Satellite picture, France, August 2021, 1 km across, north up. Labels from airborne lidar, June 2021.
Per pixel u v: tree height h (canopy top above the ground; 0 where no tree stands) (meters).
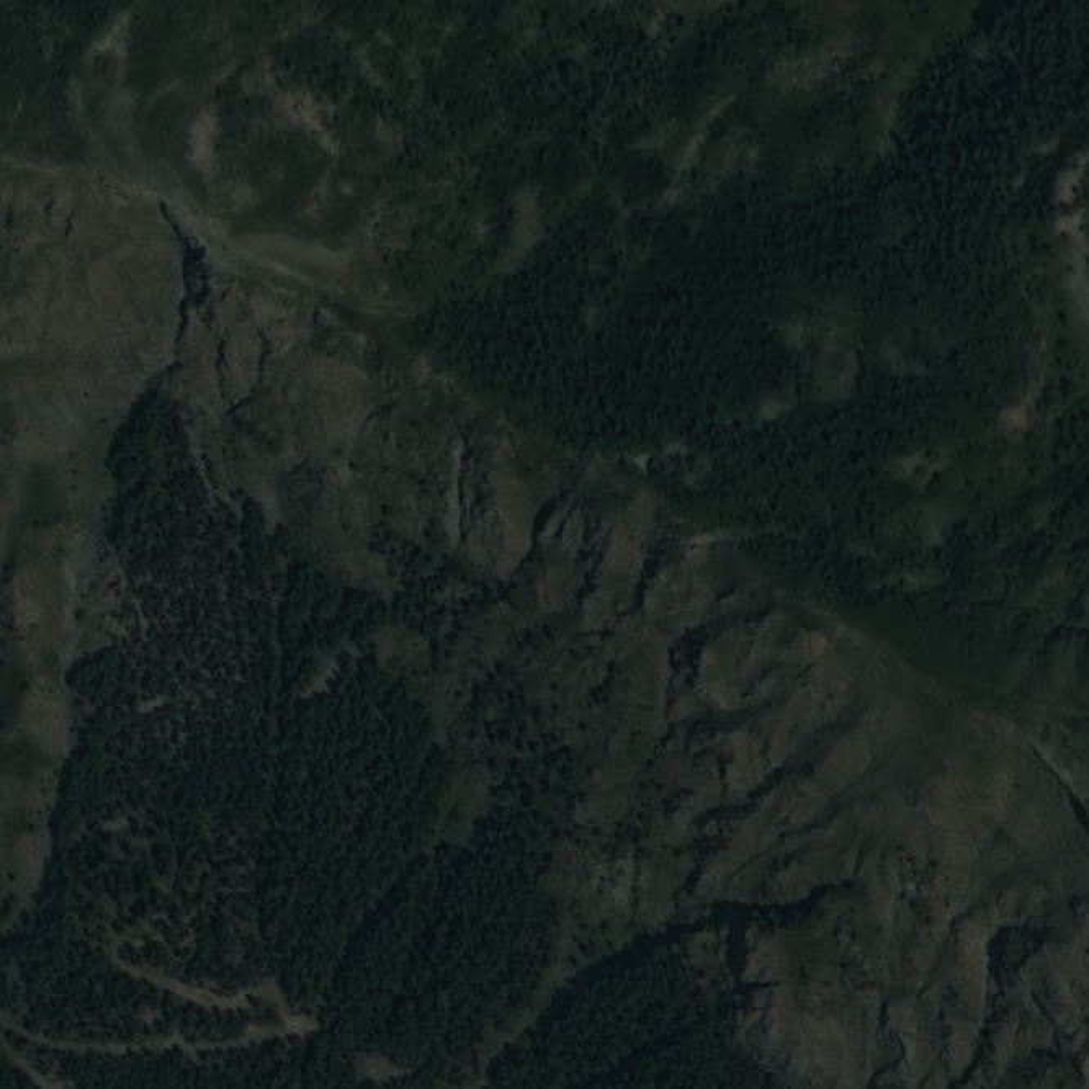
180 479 16
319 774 30
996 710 0
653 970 25
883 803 0
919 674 0
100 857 7
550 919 12
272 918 22
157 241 0
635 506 0
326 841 28
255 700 14
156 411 23
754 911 7
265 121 0
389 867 25
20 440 0
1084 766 0
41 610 0
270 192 0
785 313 0
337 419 0
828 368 0
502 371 10
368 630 23
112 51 0
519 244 0
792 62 0
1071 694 0
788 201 0
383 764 23
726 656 0
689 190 0
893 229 0
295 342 0
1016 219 18
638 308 10
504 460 0
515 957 19
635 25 6
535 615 0
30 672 0
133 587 11
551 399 10
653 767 10
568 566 0
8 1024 0
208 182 0
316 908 16
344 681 24
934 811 0
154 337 0
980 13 0
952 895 0
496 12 11
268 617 10
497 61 13
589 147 6
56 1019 14
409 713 26
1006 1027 0
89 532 0
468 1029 7
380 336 0
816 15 0
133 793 9
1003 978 0
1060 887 0
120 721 12
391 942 31
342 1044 23
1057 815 0
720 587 0
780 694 0
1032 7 25
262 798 17
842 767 0
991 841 0
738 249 6
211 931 10
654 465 8
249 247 0
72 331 0
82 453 0
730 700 0
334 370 0
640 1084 27
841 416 13
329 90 9
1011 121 8
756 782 0
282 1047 18
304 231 0
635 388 6
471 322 6
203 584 15
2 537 0
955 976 0
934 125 19
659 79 10
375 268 0
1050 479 6
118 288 0
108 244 0
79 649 0
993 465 0
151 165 0
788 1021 0
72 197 0
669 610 0
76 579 0
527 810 11
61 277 0
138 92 0
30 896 0
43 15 0
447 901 20
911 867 9
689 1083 29
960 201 7
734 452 10
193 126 0
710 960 0
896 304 0
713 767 0
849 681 0
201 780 20
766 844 0
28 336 0
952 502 0
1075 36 24
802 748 0
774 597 0
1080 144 15
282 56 9
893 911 0
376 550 11
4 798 0
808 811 0
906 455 9
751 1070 12
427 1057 17
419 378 0
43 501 0
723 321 6
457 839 0
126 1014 28
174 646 15
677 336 6
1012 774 0
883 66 0
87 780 27
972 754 0
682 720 0
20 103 0
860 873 0
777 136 0
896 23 0
